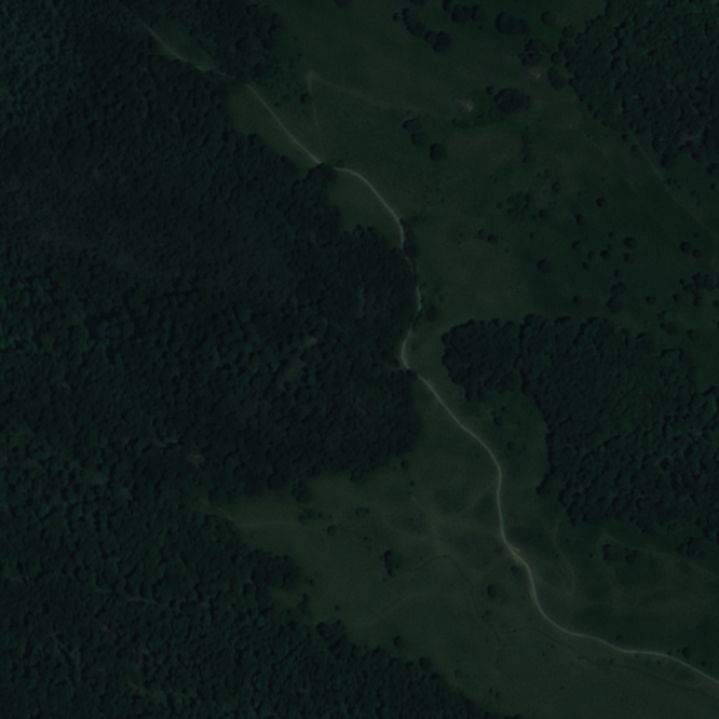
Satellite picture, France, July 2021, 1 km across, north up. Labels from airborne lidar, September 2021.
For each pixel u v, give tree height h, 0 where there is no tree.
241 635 29
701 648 0
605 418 19
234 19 22
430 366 0
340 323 21
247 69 7
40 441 14
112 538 31
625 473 22
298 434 10
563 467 25
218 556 29
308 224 27
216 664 27
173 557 26
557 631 0
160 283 12
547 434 0
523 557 0
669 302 0
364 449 23
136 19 24
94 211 14
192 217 10
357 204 0
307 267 22
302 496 21
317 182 26
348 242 19
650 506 24
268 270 7
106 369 23
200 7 23
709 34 21
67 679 6
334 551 0
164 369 24
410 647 0
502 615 0
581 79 23
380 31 0
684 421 26
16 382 27
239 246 10
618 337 21
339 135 0
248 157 22
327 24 0
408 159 0
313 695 9
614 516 18
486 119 11
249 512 0
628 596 0
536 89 0
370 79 0
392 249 8
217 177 18
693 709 0
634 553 7
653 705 0
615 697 0
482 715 32
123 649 26
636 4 23
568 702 0
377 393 11
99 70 24
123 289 12
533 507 0
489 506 0
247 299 12
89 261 17
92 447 26
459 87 0
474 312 0
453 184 0
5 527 28
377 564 0
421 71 0
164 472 25
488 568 0
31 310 34
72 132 10
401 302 19
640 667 0
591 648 0
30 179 13
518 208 9
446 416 0
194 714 22
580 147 0
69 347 28
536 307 0
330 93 0
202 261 8
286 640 29
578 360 23
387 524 0
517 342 22
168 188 8
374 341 10
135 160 8
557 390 19
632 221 0
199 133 19
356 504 0
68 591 28
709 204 0
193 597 34
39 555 31
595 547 0
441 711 28
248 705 29
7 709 31
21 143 16
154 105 19
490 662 0
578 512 23
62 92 21
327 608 0
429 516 0
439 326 0
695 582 0
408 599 0
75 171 14
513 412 0
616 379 16
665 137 22
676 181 10
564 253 0
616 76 23
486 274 0
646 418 21
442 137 0
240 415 14
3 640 24
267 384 22
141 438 27
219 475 28
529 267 0
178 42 0
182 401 9
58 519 30
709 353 0
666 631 0
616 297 10
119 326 31
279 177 26
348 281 14
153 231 14
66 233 9
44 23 25
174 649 26
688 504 23
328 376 20
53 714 29
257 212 8
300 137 0
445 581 0
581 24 0
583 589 0
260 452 25
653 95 24
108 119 11
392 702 29
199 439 11
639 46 24
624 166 0
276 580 23
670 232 0
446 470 0
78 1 25
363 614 0
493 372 15
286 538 0
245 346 29
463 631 0
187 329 13
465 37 0
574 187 0
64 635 27
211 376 26
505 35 17
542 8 0
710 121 25
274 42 21
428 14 0
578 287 0
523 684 0
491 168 0
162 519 26
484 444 0
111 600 28
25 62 21
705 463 27
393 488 0
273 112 0
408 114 8
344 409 13
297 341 23
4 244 17
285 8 0
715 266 0
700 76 18
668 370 26
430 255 0
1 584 25
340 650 28
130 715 33
